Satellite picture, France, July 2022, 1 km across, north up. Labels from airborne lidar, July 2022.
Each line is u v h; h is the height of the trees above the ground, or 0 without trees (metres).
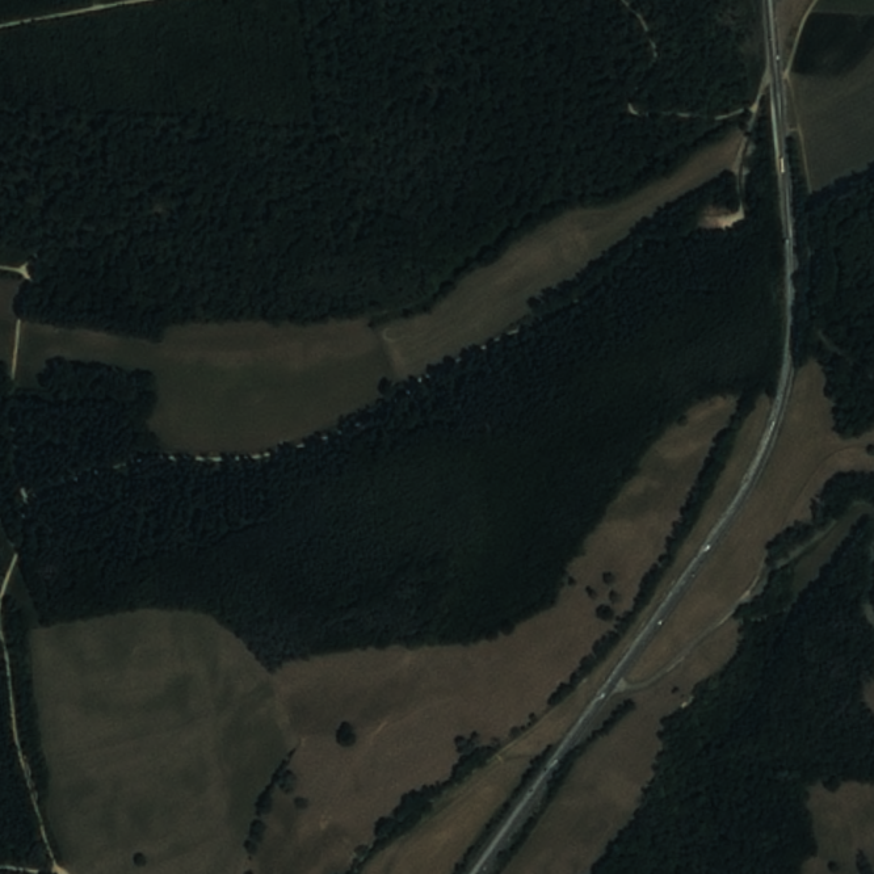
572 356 20
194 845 0
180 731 0
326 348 0
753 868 22
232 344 0
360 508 19
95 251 23
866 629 16
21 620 13
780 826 23
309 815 0
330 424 0
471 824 0
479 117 22
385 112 18
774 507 0
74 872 0
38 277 23
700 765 28
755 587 0
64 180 9
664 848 25
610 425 12
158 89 6
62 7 10
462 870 6
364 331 0
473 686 0
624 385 10
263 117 5
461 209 21
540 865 0
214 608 13
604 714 0
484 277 0
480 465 8
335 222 9
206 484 22
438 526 12
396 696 0
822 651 16
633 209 0
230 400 0
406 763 0
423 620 16
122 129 18
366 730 0
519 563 9
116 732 0
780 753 11
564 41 23
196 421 0
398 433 21
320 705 0
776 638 11
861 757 17
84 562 22
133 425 22
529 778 10
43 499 27
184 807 0
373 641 11
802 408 0
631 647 0
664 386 9
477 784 0
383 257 15
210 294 17
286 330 0
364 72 20
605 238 0
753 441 0
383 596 22
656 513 0
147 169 20
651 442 14
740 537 0
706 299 17
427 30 22
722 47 19
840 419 18
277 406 0
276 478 21
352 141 21
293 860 0
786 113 0
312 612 21
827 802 0
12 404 22
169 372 0
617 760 0
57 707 0
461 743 16
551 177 23
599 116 21
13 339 0
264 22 7
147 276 21
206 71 7
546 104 24
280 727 0
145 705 0
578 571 0
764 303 12
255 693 0
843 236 13
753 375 14
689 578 0
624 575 0
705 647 0
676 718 12
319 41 16
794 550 15
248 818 0
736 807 23
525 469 9
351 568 23
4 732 16
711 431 0
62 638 0
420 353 0
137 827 0
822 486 0
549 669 0
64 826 0
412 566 17
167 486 26
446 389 22
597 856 0
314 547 23
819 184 0
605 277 15
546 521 14
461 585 9
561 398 17
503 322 0
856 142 0
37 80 8
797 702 13
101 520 25
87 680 0
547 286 0
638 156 25
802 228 8
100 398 21
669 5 16
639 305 21
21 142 9
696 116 16
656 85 19
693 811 24
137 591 15
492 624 11
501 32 26
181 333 0
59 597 15
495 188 26
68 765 0
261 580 16
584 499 18
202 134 12
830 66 0
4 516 23
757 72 0
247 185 18
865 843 0
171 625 0
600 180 23
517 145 25
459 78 22
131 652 0
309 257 20
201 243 18
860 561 17
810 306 11
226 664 0
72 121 9
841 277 15
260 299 15
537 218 23
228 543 16
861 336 24
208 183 21
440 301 16
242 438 0
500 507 7
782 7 0
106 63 6
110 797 0
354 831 0
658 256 22
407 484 10
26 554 23
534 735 0
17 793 18
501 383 18
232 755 0
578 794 0
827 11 0
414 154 17
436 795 15
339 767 0
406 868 0
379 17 17
